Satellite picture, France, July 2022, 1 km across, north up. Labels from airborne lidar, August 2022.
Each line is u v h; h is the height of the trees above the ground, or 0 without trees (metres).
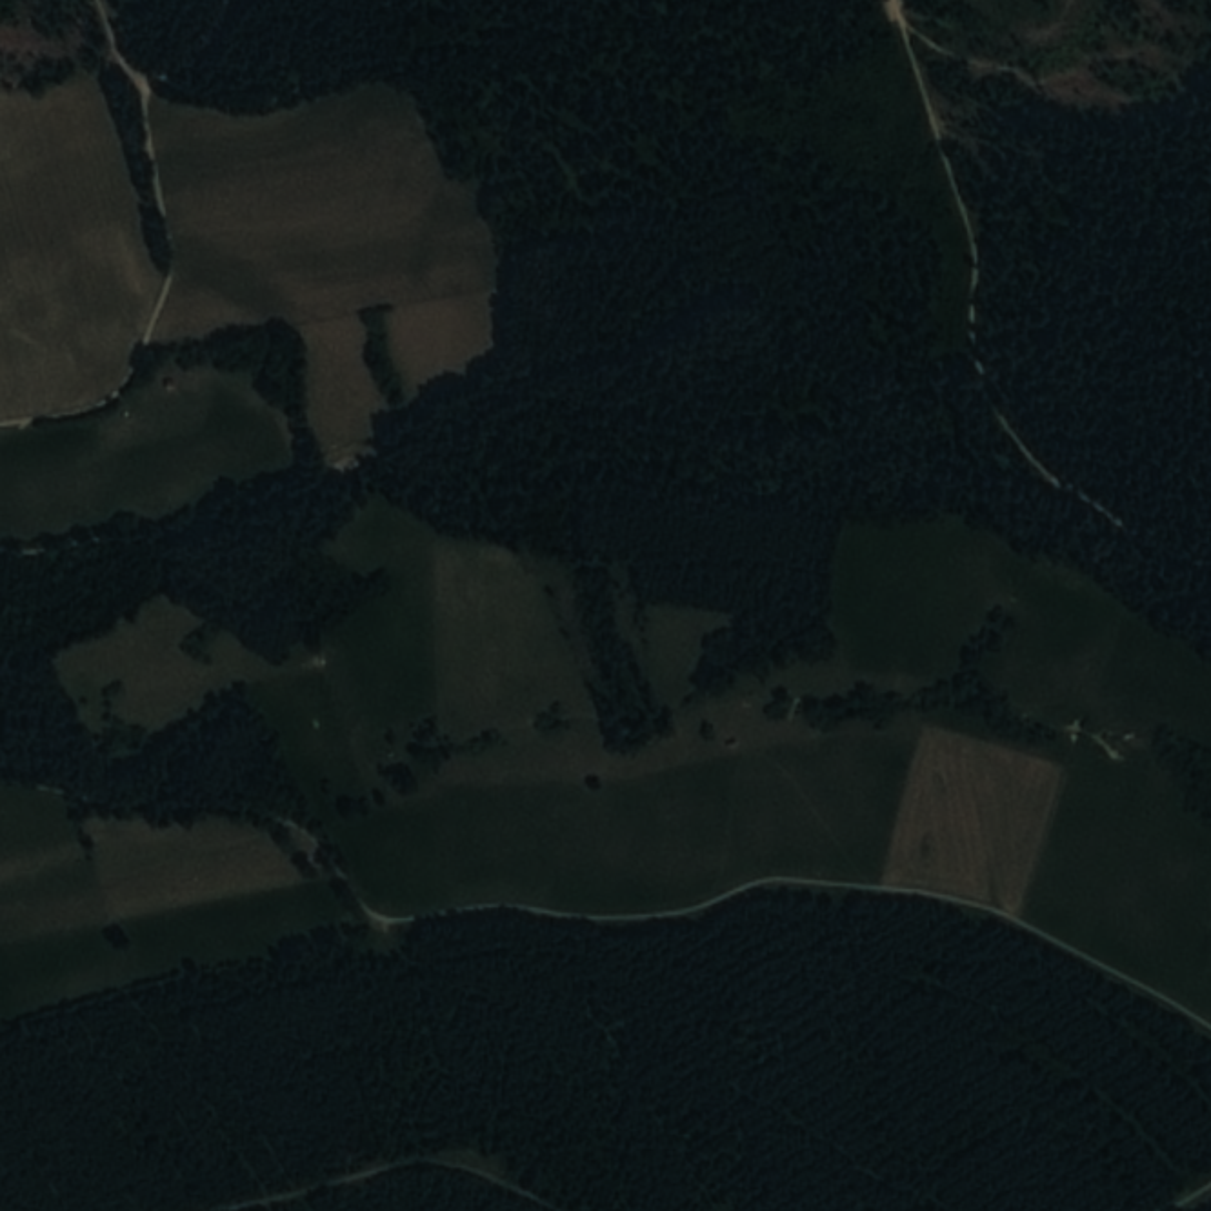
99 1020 12
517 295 27
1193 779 10
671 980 17
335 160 0
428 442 23
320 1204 10
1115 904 0
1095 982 18
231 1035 18
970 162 12
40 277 0
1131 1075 18
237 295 0
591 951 18
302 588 15
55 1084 15
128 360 0
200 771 24
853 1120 17
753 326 36
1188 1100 19
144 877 0
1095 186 25
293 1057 15
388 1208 9
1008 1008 18
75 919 0
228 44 21
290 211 0
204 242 0
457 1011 9
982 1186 18
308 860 20
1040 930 0
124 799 18
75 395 0
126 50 23
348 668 0
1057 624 0
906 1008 19
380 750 0
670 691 0
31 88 20
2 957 0
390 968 18
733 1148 12
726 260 12
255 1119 16
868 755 0
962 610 0
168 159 0
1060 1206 16
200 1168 15
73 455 0
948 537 0
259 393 15
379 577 10
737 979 14
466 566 0
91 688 0
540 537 11
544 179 19
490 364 18
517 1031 19
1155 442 30
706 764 0
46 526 0
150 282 0
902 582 0
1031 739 9
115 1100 12
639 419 29
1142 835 0
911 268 7
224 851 0
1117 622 0
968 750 0
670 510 24
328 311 0
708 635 7
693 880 0
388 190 0
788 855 0
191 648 9
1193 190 32
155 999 14
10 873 0
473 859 0
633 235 27
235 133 0
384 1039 10
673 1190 16
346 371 0
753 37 6
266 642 28
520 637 0
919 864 0
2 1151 10
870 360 7
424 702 0
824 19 20
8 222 0
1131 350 25
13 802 0
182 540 31
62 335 0
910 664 0
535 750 0
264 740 21
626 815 0
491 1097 10
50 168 0
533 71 17
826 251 27
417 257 0
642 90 7
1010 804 0
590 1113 9
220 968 6
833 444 33
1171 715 0
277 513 33
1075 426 30
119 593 9
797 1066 13
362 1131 14
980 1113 17
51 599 8
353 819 13
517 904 0
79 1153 14
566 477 25
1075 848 0
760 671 12
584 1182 10
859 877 0
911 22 6
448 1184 9
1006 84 20
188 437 0
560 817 0
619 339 12
